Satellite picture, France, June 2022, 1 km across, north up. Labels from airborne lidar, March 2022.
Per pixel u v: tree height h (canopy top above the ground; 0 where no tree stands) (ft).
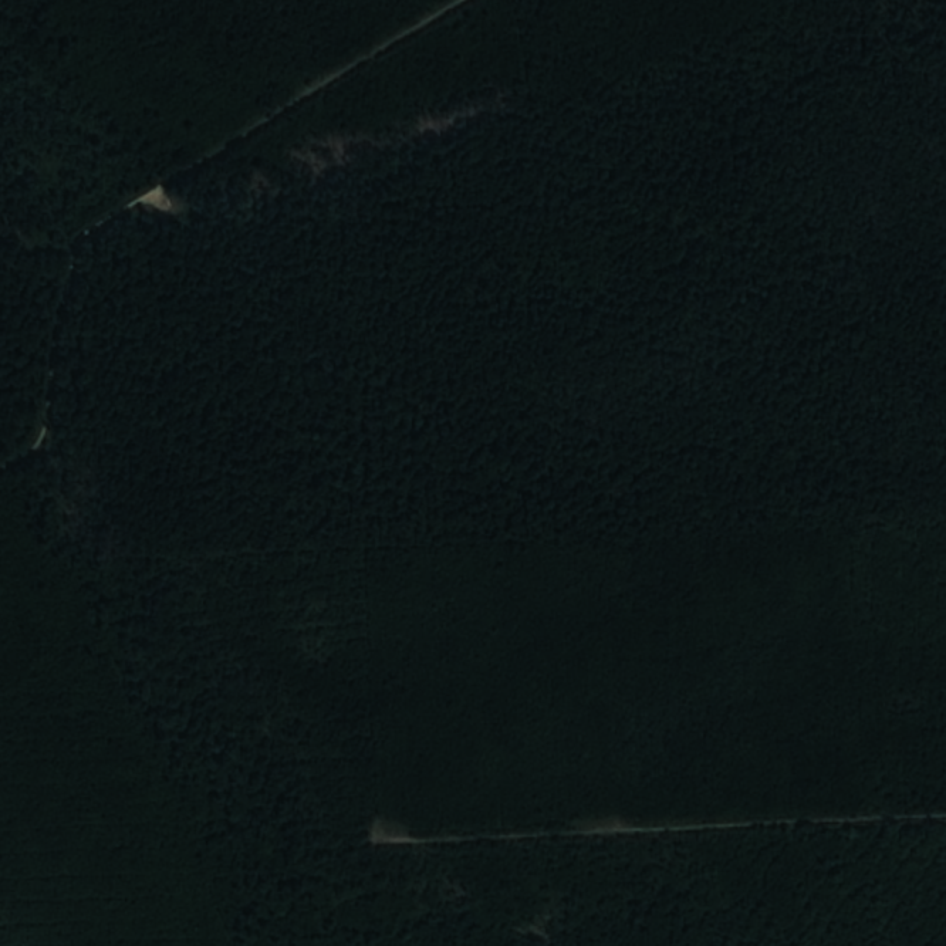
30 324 90
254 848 82
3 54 55
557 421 52
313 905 41
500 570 36
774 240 67
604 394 59
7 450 98
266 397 71
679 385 54
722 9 44
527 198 43
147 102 19
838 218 59
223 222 72
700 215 70
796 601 24
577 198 67
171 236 88
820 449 57
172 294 76
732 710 42
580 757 26
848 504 62
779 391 70
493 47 20
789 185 51
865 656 31
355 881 45
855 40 69
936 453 63
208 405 52
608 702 32
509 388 61
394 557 31
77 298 97
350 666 25
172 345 69
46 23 80
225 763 70
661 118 67
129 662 32
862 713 29
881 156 63
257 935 52
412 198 62
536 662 28
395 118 26
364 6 43
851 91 62
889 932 25
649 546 43
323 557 26
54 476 85
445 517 52
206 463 76
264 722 60
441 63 46
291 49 50
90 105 43
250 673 43
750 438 75
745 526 52
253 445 71
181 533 43
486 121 63
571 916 35
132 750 31
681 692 30
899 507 47
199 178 71
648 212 70
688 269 72
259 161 82
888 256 61
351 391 75
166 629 59
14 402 83
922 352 53
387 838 0
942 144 67
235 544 50
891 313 74
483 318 54
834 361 75
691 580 39
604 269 0
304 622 19
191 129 70
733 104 40
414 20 38
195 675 44
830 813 38
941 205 61
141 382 72
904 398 43
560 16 30
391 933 45
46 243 0
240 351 67
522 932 49
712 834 23
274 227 73
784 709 35
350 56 47
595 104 67
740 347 60
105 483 54
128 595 54
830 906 33
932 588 24
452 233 74
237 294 85
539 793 31
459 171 66
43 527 106
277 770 51
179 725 53
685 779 41
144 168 51
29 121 42
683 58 51
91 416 70
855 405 61
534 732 30
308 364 91
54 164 0
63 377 88
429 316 69
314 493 68
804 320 49
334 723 20
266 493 69
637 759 21
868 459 61
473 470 90
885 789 25
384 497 69
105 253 78
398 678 41
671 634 26
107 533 55
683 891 0
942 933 18
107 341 75
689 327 55
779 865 23
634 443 78
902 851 29
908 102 60
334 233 64
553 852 34
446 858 30
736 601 24
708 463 76
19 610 36
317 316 65
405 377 71
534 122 62
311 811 42
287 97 37
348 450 74
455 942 52
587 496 63
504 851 22
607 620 38
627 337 63
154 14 31
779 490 60
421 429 101
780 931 38
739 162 68
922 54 67
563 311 64
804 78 68
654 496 74
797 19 42
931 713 20
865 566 25
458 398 69
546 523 64
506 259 33
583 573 30
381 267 70
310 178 67
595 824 0
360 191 67
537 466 89
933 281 75
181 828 26
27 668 54
